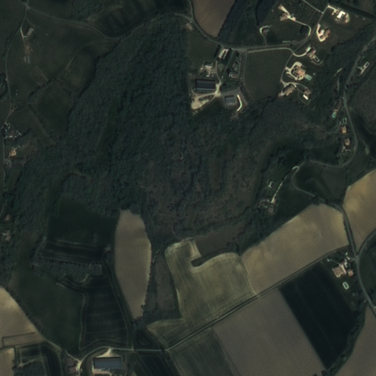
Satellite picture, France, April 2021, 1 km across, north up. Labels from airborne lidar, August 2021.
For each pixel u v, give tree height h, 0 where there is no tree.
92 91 23
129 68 20
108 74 24
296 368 0
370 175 0
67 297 0
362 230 0
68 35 0
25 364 0
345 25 0
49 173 22
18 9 0
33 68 0
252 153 5
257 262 0
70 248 0
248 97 15
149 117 22
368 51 6
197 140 10
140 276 0
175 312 9
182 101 22
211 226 15
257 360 0
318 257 0
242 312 0
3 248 7
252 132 17
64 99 0
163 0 0
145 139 16
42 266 14
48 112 0
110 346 0
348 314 0
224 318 0
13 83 0
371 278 0
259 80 0
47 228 8
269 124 22
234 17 12
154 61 20
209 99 0
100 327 0
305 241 0
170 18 13
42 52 0
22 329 0
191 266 0
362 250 0
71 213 0
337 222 0
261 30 0
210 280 0
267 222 11
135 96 11
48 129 13
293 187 22
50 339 11
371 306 0
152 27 16
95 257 0
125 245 0
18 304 13
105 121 26
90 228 0
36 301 0
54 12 0
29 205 25
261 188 6
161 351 0
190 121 15
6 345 0
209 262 0
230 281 0
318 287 0
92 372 0
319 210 0
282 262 0
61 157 8
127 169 13
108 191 12
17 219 12
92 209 22
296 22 0
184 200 14
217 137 9
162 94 16
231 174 8
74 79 0
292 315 0
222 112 10
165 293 0
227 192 8
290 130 19
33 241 0
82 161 27
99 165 13
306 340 0
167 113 15
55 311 0
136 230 0
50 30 0
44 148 13
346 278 0
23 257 0
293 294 0
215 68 0
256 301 0
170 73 12
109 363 0
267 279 0
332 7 0
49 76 0
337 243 0
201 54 0
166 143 13
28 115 0
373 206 0
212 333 0
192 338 0
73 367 0
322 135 0
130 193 8
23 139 13
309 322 0
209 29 0
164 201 0
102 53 0
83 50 0
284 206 0
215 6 0
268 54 0
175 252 0
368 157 0
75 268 16
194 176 13
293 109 19
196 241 0
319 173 0
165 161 11
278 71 0
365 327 0
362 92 7
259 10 14
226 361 0
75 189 26
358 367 0
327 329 0
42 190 6
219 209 8
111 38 0
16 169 13
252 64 0
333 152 0
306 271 0
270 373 0
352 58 22
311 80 0
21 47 0
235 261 0
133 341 0
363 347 0
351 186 0
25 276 0
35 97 15
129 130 19
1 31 0
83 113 25
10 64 0
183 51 12
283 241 0
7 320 0
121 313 0
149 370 0
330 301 0
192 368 0
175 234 12
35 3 0
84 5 8
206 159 11
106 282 0
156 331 0
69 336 0
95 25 0
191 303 0
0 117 0
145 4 0
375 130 0
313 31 0
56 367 0
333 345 0
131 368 16
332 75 16
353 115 0
